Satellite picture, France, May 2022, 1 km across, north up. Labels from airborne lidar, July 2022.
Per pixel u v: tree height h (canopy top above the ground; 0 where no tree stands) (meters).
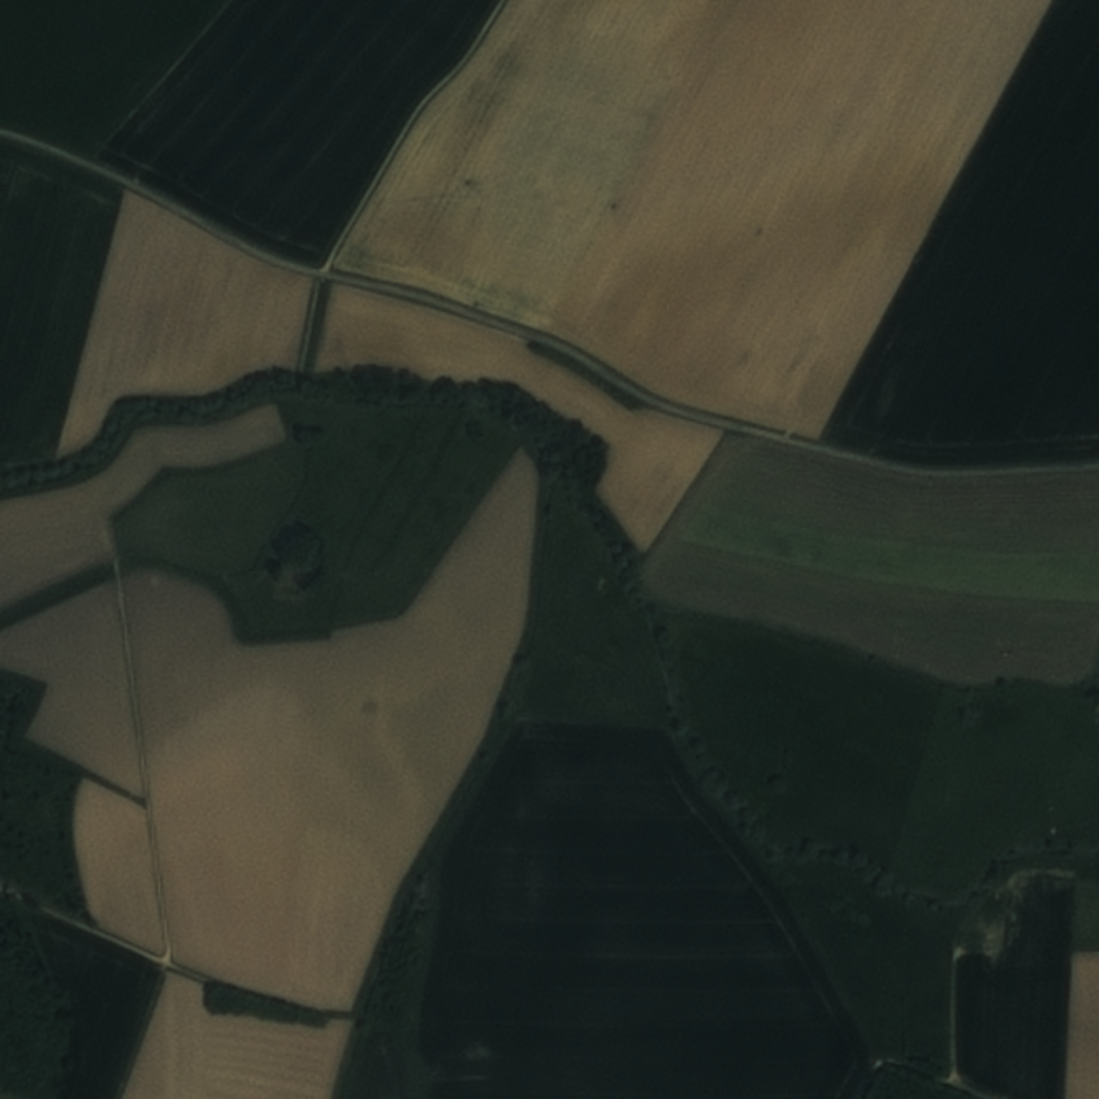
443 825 0
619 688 0
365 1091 0
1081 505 0
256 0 0
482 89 0
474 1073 0
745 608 0
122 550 0
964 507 0
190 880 0
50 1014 12
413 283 0
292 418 0
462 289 0
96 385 0
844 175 0
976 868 0
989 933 0
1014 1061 0
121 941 0
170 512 0
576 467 14
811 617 0
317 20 0
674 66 0
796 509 0
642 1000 0
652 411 0
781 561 0
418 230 0
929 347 0
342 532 0
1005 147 0
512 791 0
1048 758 0
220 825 0
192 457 0
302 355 0
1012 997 0
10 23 0
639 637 0
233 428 0
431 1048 0
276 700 0
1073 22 0
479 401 20
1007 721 0
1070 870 0
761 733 0
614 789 0
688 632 0
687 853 0
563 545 0
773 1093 0
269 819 0
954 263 0
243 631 0
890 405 0
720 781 16
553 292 0
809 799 0
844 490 0
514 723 0
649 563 0
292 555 25
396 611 0
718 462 0
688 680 0
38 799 11
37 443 0
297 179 0
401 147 0
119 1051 0
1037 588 0
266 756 0
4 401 0
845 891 0
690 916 0
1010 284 0
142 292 0
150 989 0
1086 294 0
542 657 0
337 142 0
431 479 0
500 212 0
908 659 0
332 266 0
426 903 10
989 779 0
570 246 0
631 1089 0
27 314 0
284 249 0
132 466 0
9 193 0
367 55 0
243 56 0
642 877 0
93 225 0
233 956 0
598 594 0
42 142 0
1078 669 0
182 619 0
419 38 0
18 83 0
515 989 0
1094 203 0
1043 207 0
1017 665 0
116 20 0
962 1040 0
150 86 0
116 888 0
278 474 0
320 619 0
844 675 0
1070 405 0
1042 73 0
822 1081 0
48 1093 16
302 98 0
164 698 0
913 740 0
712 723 0
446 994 0
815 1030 0
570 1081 0
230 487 0
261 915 0
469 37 0
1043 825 0
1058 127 0
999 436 0
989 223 0
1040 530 0
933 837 0
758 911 0
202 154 0
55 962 0
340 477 0
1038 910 0
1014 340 0
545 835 0
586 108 0
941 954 0
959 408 0
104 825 0
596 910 0
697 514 0
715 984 0
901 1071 12
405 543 0
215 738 0
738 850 0
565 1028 0
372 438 0
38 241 0
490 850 0
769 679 0
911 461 0
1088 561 0
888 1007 0
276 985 0
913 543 0
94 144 0
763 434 0
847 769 0
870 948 0
